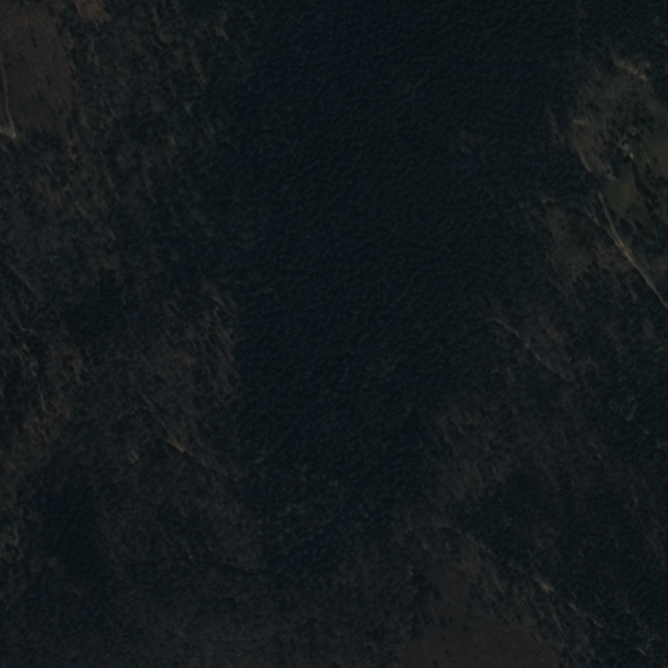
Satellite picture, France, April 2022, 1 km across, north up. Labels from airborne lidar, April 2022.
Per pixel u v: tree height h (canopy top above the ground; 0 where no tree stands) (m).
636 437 23
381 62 27
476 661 11
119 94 35
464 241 22
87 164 39
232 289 32
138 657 18
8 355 18
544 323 29
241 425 26
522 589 21
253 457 29
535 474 26
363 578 21
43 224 28
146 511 25
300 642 9
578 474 27
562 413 24
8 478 25
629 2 24
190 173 31
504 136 26
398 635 17
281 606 23
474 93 33
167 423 27
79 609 19
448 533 16
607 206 7
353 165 28
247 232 28
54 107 12
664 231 21
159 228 28
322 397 29
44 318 21
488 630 11
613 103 11
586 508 24
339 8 34
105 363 27
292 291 28
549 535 24
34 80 12
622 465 21
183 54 35
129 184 36
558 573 24
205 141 31
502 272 34
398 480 23
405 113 25
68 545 20
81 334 18
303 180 27
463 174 27
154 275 27
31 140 19
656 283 12
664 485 24
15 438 21
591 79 26
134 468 24
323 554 26
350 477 29
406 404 26
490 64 19
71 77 15
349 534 25
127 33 35
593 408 26
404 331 31
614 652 26
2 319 25
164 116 18
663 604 26
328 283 30
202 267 30
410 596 22
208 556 27
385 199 30
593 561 23
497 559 12
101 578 16
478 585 7
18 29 16
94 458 24
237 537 30
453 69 31
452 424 20
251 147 32
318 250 32
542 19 30
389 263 31
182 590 25
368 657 20
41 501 17
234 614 19
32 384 24
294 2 33
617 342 18
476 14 32
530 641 9
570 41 29
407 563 17
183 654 17
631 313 29
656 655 34
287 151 29
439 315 28
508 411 30
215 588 26
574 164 31
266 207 26
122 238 22
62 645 22
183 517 26
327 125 27
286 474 25
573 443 23
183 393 35
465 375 21
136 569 24
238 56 37
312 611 23
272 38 29
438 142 30
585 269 0
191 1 35
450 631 9
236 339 32
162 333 30
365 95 19
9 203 33
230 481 17
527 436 28
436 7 29
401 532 18
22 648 20
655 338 22
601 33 30
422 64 35
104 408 30
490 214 30
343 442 29
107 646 17
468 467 26
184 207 33
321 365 28
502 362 26
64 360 28
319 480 25
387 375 24
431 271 29
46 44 17
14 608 23
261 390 34
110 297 13
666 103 13
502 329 18
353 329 29
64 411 8
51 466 22
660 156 0
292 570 22
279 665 17
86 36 30
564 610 15
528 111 29
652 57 26
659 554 29
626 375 25
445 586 14
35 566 24
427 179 29
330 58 25
